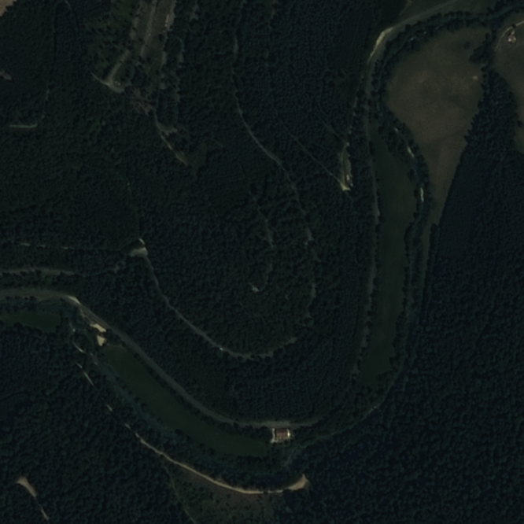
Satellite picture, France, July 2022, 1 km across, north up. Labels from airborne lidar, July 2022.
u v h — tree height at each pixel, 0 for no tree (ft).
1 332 66
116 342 65
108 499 102
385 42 0
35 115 65
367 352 41
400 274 0
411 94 0
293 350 79
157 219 88
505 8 78
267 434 56
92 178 67
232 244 55
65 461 85
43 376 83
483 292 88
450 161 0
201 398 68
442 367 109
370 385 0
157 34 0
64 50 63
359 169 93
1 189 75
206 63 103
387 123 55
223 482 0
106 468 49
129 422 89
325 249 107
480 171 36
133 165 94
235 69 67
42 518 71
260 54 32
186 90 74
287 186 108
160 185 38
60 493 83
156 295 90
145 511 118
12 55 53
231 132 80
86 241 134
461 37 0
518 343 92
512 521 53
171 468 38
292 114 111
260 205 60
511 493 45
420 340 85
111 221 74
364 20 51
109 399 83
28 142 58
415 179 62
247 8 80
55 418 81
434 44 0
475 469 81
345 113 104
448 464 85
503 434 91
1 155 64
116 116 34
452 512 83
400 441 98
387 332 0
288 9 109
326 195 101
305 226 109
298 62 124
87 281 55
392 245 0
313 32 101
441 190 0
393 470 78
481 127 61
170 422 0
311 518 131
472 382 103
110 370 0
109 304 100
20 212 58
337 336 80
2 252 85
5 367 90
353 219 104
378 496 44
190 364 22
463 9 0
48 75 41
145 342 73
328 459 53
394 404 70
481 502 46
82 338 55
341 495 137
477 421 104
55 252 71
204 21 95
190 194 48
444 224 53
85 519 118
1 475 75
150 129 66
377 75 47
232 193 55
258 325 73
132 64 64
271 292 62
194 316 71
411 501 87
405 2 33
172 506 30
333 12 109
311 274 106
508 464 80
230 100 69
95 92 47
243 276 44
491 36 38
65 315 56
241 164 64
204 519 23
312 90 113
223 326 71
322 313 103
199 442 0
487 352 101
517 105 36
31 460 80
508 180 74
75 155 87
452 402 80
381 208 38
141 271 116
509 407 95
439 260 59
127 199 87
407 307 51
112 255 107
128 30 45
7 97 59
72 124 61
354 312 80
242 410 82
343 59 72
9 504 72
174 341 31
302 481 0
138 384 0
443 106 0
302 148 26
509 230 73
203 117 84
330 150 118
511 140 46
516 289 99
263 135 113
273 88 120
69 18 93
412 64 0
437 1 0
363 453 103
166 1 0
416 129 0
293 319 109
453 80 0
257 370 69
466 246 29
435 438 102
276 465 64
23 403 40
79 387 125
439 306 84
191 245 66
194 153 75
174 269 79
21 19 43
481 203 57
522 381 101
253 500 0
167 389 70
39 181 72
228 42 63
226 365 87
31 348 75
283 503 35
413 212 0
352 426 37
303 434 49
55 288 61
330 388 98
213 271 59
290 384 91
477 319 102
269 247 101
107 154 91
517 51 0
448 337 105
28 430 93
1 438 104
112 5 66
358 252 83
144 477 105
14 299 43
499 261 108
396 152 70
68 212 89
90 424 65
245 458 21
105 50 20
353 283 103
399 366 75
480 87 0
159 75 58
